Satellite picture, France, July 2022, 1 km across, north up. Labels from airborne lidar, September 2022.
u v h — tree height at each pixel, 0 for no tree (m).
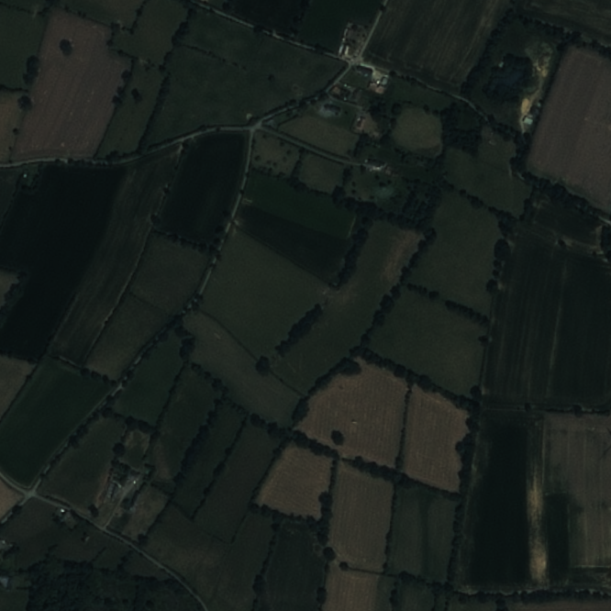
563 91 0
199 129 6
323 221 0
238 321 0
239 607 0
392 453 0
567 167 0
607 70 0
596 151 0
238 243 0
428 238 22
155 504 0
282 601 0
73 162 10
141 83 0
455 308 16
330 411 0
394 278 0
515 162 16
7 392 0
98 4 0
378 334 0
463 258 0
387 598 0
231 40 0
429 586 8
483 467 0
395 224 10
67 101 0
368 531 0
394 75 13
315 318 15
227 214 18
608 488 0
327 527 12
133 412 0
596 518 0
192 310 10
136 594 6
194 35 0
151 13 0
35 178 8
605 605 0
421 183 7
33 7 0
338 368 11
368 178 0
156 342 14
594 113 0
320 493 0
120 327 0
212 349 0
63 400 0
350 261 17
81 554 0
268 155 0
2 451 0
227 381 0
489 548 0
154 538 0
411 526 0
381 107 10
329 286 8
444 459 0
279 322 0
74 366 7
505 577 0
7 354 9
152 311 0
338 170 0
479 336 0
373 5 0
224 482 0
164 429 0
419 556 0
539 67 0
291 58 0
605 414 8
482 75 11
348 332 0
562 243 16
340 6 0
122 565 7
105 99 0
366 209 19
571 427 0
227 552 0
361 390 0
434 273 0
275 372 0
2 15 0
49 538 0
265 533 0
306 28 0
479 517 0
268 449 0
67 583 12
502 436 0
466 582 0
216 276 0
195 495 0
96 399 0
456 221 0
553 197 20
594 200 0
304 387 0
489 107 0
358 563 0
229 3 16
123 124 0
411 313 0
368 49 0
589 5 0
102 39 0
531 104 0
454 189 9
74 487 0
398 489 10
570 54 0
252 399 0
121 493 0
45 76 0
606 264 0
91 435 0
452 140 11
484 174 0
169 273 0
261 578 13
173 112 0
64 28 0
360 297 0
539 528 0
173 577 6
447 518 0
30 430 0
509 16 14
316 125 0
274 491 0
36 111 0
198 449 19
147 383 0
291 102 8
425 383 17
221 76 0
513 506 0
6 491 0
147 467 9
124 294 6
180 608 0
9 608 0
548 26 10
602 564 0
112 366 0
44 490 0
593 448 0
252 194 0
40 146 0
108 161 14
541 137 0
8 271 6
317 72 0
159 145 9
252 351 0
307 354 0
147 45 0
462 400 17
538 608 0
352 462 7
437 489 7
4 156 0
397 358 0
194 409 0
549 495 0
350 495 0
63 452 6
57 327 6
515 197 0
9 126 0
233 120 0
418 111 0
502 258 14
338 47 0
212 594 0
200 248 12
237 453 0
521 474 0
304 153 14
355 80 0
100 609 0
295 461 0
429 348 0
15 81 0
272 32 6
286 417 0
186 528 0
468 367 0
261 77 0
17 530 0
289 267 0
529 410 16
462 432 0
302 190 11
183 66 0
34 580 8
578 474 0
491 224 0
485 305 0
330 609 0
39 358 9
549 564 0
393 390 0
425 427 0
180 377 7
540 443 0
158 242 0
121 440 8
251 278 0
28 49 0
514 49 0
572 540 0
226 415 0
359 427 0
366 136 11
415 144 0
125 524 0
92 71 0
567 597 16
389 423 0
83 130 0
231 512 0
